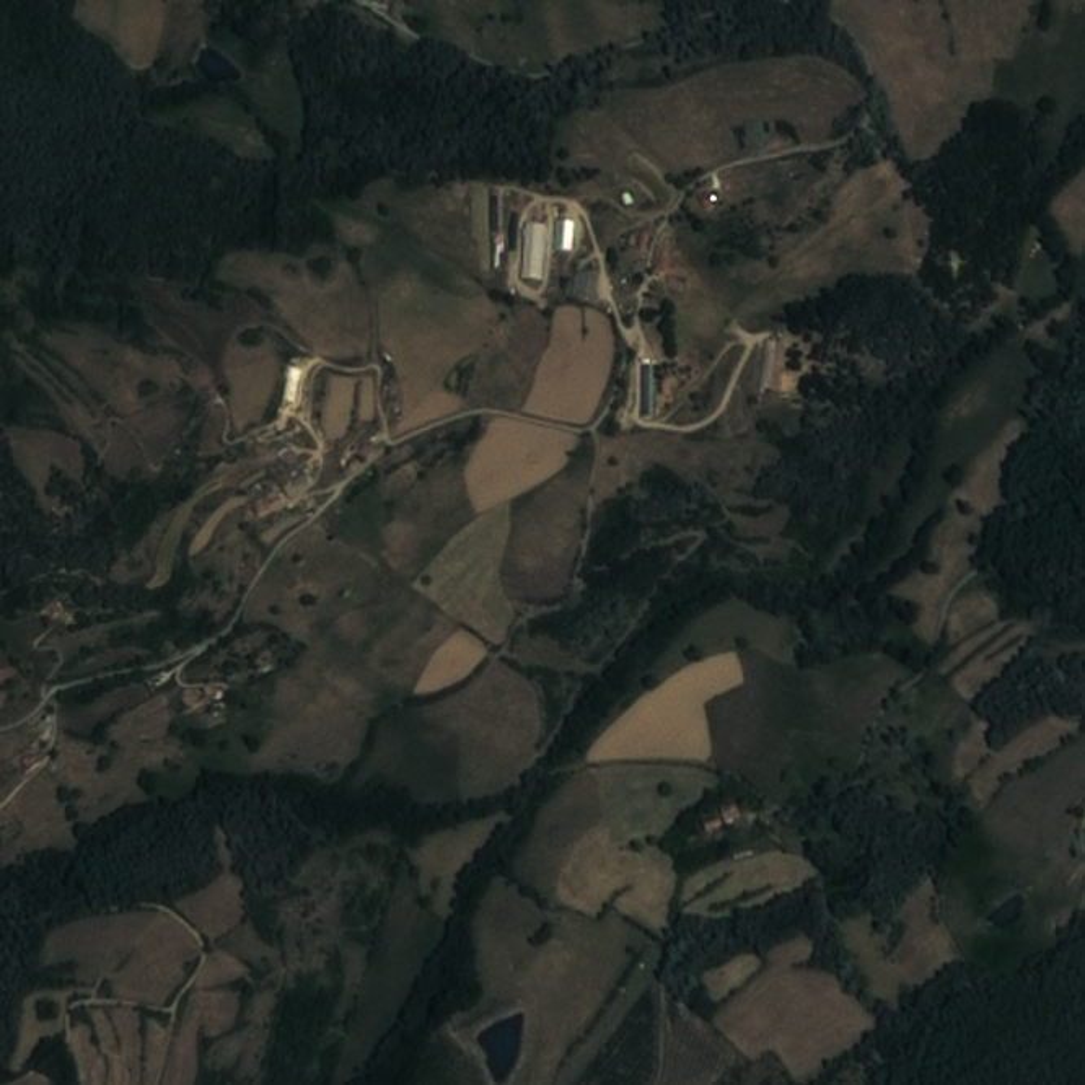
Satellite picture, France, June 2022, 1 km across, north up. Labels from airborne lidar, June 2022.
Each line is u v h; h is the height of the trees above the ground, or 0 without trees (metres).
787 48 12
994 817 0
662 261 0
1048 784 0
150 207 16
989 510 0
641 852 9
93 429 0
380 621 0
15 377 10
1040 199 19
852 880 10
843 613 32
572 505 0
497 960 0
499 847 14
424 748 0
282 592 0
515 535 0
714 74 0
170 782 0
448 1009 19
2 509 12
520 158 9
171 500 7
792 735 0
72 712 0
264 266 0
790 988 0
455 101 12
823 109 0
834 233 0
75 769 0
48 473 0
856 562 22
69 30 10
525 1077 0
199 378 0
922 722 0
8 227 20
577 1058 0
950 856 23
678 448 0
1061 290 10
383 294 0
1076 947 17
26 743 0
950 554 0
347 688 0
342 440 0
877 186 0
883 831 12
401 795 18
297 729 0
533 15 0
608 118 0
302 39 10
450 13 0
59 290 12
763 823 11
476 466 0
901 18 0
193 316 0
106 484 10
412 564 0
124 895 23
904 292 20
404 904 0
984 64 0
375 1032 0
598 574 10
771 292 0
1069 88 0
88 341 0
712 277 0
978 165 15
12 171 18
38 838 0
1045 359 20
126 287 8
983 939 0
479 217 0
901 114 0
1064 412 18
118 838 21
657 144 0
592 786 0
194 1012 0
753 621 0
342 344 0
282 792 13
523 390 0
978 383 0
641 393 0
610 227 0
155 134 19
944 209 15
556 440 0
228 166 18
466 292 0
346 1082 0
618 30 0
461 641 0
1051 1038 17
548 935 8
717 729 0
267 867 12
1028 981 18
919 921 0
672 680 0
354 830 12
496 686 0
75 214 18
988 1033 20
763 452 0
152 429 0
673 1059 0
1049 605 12
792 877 0
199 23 0
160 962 0
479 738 0
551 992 0
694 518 8
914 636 0
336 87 7
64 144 17
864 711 0
